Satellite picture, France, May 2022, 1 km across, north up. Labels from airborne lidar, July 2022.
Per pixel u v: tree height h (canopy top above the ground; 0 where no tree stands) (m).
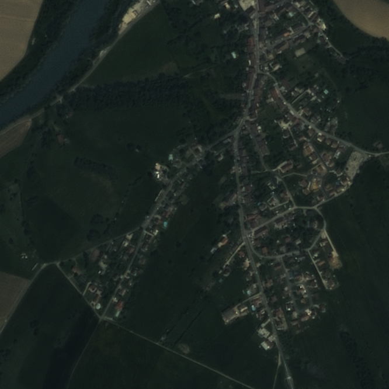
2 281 0
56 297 0
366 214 0
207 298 8
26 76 14
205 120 0
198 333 0
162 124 0
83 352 0
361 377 17
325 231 0
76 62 14
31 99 0
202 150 0
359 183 10
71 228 0
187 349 0
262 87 0
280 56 7
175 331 0
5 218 0
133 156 0
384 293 0
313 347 0
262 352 0
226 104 11
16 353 0
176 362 0
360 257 0
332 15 30
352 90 10
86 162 7
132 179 0
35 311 0
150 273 0
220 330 0
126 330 0
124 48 0
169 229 0
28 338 0
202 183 0
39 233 0
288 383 0
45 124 8
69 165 0
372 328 0
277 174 0
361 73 24
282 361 0
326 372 0
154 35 0
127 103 25
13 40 0
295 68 0
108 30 14
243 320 0
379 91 0
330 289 0
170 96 28
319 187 0
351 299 0
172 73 0
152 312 0
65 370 0
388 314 0
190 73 0
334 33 0
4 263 0
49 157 0
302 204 0
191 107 9
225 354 0
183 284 0
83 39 0
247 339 0
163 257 0
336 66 0
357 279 0
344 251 0
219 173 0
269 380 0
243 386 0
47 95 9
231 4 0
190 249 0
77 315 7
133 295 6
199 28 0
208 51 22
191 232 0
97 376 0
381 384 0
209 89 0
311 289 0
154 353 0
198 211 0
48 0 8
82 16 0
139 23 0
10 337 0
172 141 0
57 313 0
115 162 0
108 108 17
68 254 0
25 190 0
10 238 0
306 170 0
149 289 0
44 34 0
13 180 0
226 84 0
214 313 0
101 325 0
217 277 13
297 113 0
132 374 0
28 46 0
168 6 25
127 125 0
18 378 0
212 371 0
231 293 0
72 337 0
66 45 0
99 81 0
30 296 0
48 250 0
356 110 0
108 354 0
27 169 0
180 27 30
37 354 0
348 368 0
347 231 0
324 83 9
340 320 0
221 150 0
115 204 0
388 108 0
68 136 0
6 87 6
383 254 0
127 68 0
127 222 0
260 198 11
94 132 0
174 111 0
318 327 0
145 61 0
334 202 0
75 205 0
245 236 0
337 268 0
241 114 8
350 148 0
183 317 6
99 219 19
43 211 0
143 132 0
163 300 0
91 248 0
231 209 12
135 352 0
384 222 0
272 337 0
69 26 0
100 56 0
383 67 0
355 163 0
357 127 0
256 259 0
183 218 0
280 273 0
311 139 0
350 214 0
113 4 0
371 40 10
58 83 10
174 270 0
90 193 0
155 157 0
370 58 9
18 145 0
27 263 0
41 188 0
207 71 0
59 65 0
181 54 0
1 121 0
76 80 17
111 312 0
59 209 0
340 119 0
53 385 0
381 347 0
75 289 0
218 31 0
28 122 0
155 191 0
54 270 0
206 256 0
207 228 0
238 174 0
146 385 0
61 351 0
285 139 7
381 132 0
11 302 0
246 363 0
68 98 24
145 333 0
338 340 0
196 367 0
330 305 0
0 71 0
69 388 0
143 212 0
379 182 0
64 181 0
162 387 0
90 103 27
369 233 0
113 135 0
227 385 0
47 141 18
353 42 0
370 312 0
